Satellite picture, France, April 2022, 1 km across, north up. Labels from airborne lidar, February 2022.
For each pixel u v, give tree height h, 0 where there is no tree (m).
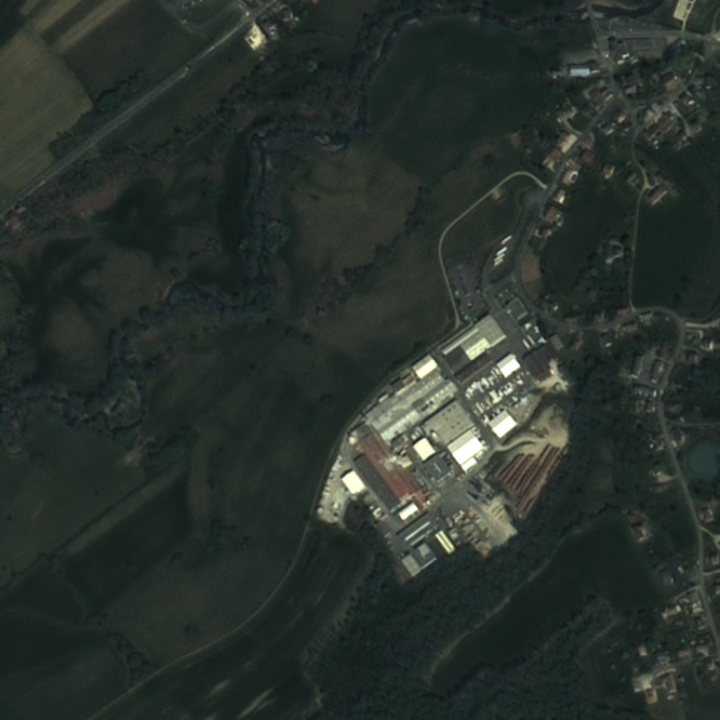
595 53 0
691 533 0
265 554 0
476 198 0
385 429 0
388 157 0
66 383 0
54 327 0
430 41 0
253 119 0
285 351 0
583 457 25
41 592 0
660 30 0
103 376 0
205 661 0
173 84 0
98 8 0
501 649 0
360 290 14
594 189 0
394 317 0
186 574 0
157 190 0
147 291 0
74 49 0
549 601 0
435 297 0
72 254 0
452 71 0
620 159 0
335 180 0
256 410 0
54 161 0
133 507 0
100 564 0
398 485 0
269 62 10
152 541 0
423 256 0
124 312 0
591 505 0
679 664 0
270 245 18
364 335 0
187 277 0
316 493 0
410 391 0
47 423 0
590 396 20
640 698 0
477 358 0
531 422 0
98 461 0
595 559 0
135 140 0
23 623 0
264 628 0
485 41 0
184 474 0
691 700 0
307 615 0
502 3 0
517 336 0
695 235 0
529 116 0
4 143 0
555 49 0
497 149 0
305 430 0
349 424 0
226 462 0
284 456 0
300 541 0
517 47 0
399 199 0
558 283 0
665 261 0
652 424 0
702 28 0
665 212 0
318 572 0
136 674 17
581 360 0
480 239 0
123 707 0
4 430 21
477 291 0
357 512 8
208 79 0
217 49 0
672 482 0
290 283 0
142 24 0
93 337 0
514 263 0
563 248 0
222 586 0
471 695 25
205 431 0
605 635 0
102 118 19
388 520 0
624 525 0
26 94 0
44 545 0
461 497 0
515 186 0
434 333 0
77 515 0
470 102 0
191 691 0
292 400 0
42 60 0
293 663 0
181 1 0
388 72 0
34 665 0
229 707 0
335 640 22
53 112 0
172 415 0
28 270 0
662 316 10
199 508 0
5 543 0
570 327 0
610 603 0
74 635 0
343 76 12
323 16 0
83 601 0
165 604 0
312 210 0
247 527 0
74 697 0
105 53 0
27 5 0
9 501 0
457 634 20
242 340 0
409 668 25
